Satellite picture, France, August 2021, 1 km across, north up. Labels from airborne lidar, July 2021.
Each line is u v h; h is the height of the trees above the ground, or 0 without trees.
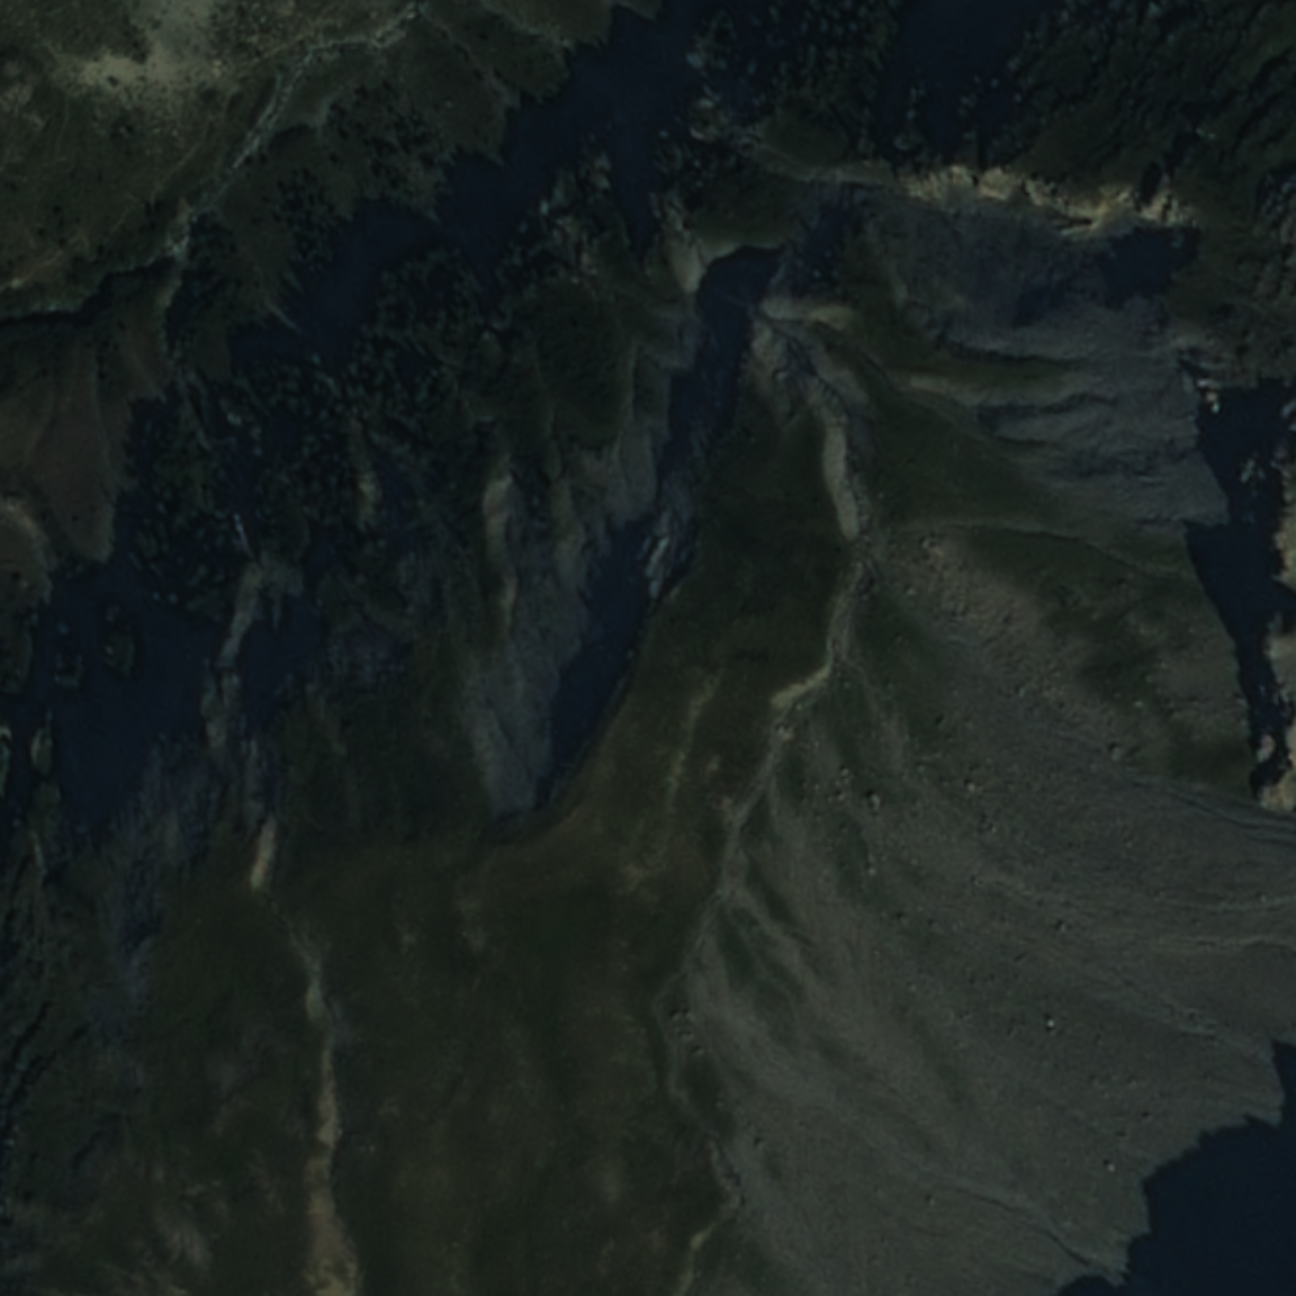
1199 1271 0
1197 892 0
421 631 0
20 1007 0
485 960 0
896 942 0
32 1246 0
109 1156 0
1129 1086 0
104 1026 0
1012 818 0
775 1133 0
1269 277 0
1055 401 0
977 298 0
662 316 0
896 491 0
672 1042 0
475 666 0
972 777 0
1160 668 0
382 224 0
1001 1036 0
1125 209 0
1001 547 0
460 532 0
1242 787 0
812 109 0
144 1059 0
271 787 0
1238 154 0
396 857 0
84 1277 0
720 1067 0
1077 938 0
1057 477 0
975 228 0
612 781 0
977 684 0
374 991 0
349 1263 0
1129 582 0
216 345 0
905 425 0
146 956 0
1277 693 0
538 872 0
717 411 0
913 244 0
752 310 0
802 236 0
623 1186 0
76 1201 0
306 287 0
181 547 0
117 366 0
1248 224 0
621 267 0
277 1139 0
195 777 0
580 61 0
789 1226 0
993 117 0
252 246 0
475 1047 0
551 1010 0
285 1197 0
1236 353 0
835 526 0
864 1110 0
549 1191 0
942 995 0
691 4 0
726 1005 0
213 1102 0
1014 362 0
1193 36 0
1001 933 0
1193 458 0
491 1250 0
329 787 0
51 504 0
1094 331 0
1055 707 0
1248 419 0
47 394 0
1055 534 0
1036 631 0
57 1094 0
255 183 0
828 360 0
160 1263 0
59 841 0
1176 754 0
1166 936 0
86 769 0
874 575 0
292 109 0
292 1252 0
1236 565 0
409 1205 0
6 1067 0
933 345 0
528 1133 0
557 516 0
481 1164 0
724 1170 0
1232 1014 0
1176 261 0
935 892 0
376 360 13
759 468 0
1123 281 0
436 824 0
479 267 0
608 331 0
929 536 0
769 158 0
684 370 0
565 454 0
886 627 0
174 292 0
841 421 0
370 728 0
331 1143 0
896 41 0
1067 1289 0
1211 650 0
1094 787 0
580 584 0
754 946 0
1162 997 0
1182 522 0
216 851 0
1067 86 0
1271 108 0
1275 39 0
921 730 0
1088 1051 0
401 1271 0
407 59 0
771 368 0
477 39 0
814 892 0
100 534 0
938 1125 0
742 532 0
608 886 0
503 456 0
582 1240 0
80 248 0
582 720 0
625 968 0
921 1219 0
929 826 0
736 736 0
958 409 0
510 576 0
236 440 9
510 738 0
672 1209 0
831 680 0
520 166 0
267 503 6
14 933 0
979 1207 0
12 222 0
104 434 0
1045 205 0
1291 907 0
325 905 0
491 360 0
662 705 0
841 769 0
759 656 0
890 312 0
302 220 12
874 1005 0
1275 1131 0
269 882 0
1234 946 0
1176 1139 0
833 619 0
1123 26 0
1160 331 0
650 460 0
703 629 0
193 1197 0
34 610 0
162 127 0
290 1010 0
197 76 0
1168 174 0
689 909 0
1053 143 0
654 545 0
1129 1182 0
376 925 0
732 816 0
